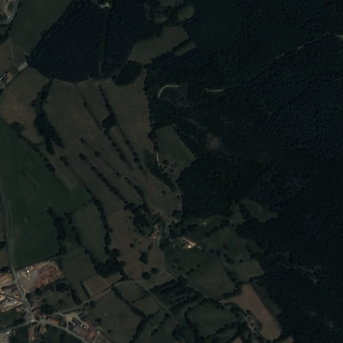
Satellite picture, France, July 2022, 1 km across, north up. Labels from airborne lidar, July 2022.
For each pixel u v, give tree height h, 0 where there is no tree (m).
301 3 16
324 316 10
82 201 0
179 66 23
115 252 17
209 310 0
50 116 0
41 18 0
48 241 0
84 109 0
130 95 0
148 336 0
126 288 0
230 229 0
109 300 0
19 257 0
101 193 0
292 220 24
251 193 19
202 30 20
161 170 11
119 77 8
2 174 0
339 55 9
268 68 8
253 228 27
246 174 14
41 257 0
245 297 0
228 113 14
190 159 0
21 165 0
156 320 0
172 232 19
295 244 20
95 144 0
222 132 12
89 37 33
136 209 17
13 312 0
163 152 0
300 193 23
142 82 0
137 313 18
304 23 7
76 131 0
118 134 0
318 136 24
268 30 12
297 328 15
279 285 14
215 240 0
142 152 0
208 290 0
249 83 19
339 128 24
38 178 0
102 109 0
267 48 14
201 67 25
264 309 0
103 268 18
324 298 22
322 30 21
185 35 0
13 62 0
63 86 0
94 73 15
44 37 24
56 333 0
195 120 7
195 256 0
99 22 33
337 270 21
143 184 0
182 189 14
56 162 0
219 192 13
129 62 12
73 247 0
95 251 0
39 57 27
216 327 0
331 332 16
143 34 21
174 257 0
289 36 13
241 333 15
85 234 0
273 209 23
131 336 0
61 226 11
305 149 18
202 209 16
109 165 0
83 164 0
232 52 18
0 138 0
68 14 11
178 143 0
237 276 0
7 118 0
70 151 0
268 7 11
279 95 29
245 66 17
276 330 0
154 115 7
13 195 0
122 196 11
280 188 19
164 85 11
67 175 0
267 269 17
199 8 19
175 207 0
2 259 0
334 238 18
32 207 0
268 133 15
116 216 0
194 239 0
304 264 19
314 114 7
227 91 8
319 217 23
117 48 21
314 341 35
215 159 7
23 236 0
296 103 26
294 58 14
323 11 19
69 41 31
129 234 0
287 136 8
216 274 0
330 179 24
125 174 0
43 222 0
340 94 28
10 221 0
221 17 20
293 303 14
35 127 0
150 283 0
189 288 11
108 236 17
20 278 0
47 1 0
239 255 0
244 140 18
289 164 14
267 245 17
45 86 0
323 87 28
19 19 0
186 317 13
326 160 25
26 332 0
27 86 0
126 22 22
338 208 16
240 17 21
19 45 0
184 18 0
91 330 0
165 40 0
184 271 0
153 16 8
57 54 29
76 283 0
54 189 0
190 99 9
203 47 21
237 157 6
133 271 0
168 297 0
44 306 8
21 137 11
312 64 9
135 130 0
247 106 20
